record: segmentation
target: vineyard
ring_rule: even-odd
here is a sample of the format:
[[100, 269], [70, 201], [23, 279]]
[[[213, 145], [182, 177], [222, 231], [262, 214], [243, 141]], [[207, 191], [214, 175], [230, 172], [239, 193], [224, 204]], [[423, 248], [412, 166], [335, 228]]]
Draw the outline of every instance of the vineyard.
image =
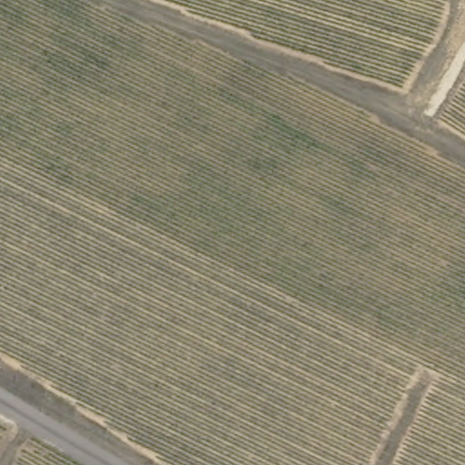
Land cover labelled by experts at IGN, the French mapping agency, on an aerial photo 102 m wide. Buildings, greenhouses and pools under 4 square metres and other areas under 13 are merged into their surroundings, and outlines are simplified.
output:
[[31, 432], [25, 429], [18, 430], [13, 418], [7, 418], [0, 412], [0, 465], [84, 465], [82, 461], [74, 460], [73, 456], [47, 445]]
[[96, 421], [109, 434], [113, 434], [114, 438], [118, 438], [129, 449], [147, 456], [156, 465], [465, 465], [465, 165], [447, 160], [440, 153], [429, 156], [427, 149], [430, 145], [412, 138], [414, 131], [405, 127], [405, 122], [394, 118], [391, 113], [372, 107], [369, 102], [372, 93], [387, 96], [389, 91], [405, 94], [411, 91], [414, 80], [418, 78], [423, 67], [423, 64], [418, 62], [420, 54], [429, 56], [440, 42], [441, 33], [449, 18], [450, 0], [0, 0], [0, 361], [7, 367], [22, 372], [29, 380], [40, 383], [44, 389], [53, 392], [54, 396], [71, 403], [78, 414]]
[[441, 102], [438, 111], [430, 116], [430, 120], [436, 125], [447, 122], [454, 125], [454, 129], [460, 129], [465, 133], [465, 62], [461, 65], [454, 84], [445, 94], [445, 100]]

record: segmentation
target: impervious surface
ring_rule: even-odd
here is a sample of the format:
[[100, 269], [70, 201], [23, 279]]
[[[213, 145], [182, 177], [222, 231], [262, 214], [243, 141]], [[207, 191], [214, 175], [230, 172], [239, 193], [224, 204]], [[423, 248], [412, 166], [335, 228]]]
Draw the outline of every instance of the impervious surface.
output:
[[25, 403], [24, 400], [16, 398], [15, 394], [0, 387], [0, 412], [7, 418], [13, 418], [18, 430], [25, 429], [31, 432], [47, 445], [73, 456], [74, 460], [82, 461], [84, 465], [127, 465], [124, 460], [116, 458], [100, 445], [87, 440], [76, 430], [69, 429], [64, 423], [38, 411], [33, 405]]

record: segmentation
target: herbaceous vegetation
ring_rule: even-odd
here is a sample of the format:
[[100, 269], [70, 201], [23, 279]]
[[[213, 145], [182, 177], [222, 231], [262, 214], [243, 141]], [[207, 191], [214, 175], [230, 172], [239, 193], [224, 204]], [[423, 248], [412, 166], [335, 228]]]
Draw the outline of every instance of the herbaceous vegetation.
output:
[[69, 429], [76, 430], [87, 440], [100, 445], [116, 458], [124, 460], [127, 465], [156, 465], [147, 456], [129, 449], [118, 438], [114, 438], [113, 434], [109, 434], [96, 421], [78, 414], [71, 403], [54, 396], [53, 392], [44, 389], [40, 383], [29, 380], [22, 372], [7, 367], [0, 361], [0, 387], [15, 394], [16, 398], [24, 400], [25, 403], [33, 405], [38, 411], [64, 423]]
[[418, 62], [423, 64], [423, 67], [418, 78], [414, 80], [411, 91], [405, 94], [389, 91], [387, 96], [372, 93], [369, 102], [372, 107], [391, 113], [394, 118], [405, 122], [405, 127], [414, 131], [412, 138], [430, 145], [427, 149], [429, 156], [440, 153], [447, 160], [465, 165], [465, 133], [460, 129], [454, 129], [454, 125], [447, 122], [436, 125], [430, 120], [430, 116], [438, 111], [441, 102], [445, 100], [445, 94], [454, 84], [461, 65], [465, 62], [465, 0], [450, 0], [449, 18], [441, 33], [440, 42], [429, 56], [420, 54]]

